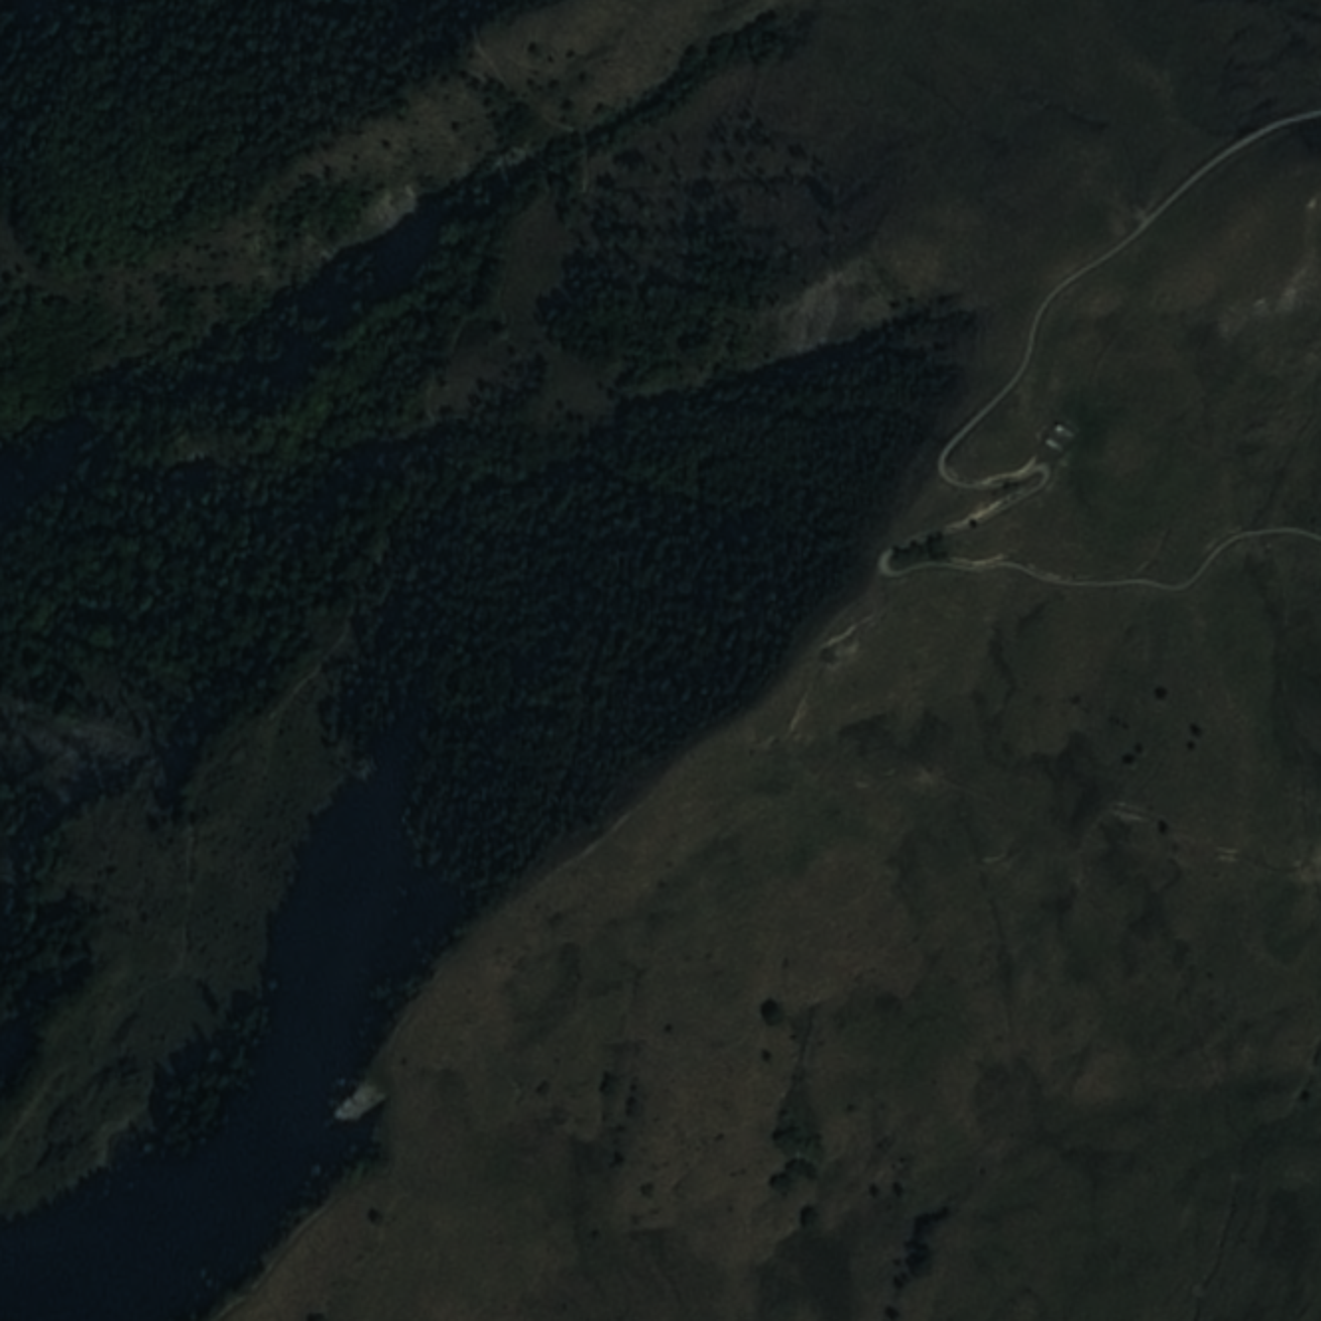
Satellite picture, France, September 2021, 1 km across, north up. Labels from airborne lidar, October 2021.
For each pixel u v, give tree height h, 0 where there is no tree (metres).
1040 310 0
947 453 0
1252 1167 0
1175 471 0
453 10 10
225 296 10
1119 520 0
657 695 7
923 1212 0
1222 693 0
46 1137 0
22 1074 19
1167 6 0
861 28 0
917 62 0
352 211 11
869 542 0
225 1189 7
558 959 0
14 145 17
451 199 15
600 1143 0
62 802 0
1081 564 0
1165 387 0
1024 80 0
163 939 0
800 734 0
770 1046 0
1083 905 0
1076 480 0
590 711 8
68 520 20
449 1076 0
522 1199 0
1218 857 0
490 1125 0
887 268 0
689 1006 0
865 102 0
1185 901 0
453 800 10
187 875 0
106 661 15
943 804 0
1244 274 0
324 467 14
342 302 11
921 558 8
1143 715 0
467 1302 0
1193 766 0
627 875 0
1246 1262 0
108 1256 11
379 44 8
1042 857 0
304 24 10
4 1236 0
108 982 0
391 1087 0
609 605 9
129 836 0
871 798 0
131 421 20
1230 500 0
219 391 14
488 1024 0
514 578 8
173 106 17
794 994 0
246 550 9
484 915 6
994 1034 0
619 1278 0
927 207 0
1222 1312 0
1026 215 0
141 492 15
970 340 0
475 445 8
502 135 19
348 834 6
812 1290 0
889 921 0
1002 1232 0
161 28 10
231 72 13
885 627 0
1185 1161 0
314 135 11
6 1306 16
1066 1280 0
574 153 14
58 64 11
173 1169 16
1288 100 0
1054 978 0
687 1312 0
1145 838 0
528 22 0
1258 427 0
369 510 17
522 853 7
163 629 17
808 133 0
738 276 9
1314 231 0
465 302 9
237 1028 7
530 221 0
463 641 12
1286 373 0
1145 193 0
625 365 9
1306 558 0
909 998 0
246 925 0
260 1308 0
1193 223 0
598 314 19
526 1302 0
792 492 8
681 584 13
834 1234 0
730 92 0
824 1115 0
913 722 0
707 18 0
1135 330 0
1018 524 0
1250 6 0
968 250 0
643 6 0
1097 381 0
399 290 17
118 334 9
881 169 0
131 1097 0
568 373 0
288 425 16
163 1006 0
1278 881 0
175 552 12
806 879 0
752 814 0
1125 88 0
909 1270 7
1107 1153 0
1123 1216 0
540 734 11
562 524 9
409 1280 0
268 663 13
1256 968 0
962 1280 0
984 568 0
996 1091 0
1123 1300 0
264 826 0
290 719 0
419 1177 0
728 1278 0
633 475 12
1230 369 0
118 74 12
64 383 13
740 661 8
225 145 14
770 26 9
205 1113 17
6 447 10
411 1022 0
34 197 17
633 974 0
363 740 12
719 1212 0
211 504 13
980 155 0
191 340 7
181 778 6
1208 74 0
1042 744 0
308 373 14
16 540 20
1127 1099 0
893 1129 0
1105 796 0
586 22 0
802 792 0
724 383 12
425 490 11
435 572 13
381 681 9
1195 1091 0
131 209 17
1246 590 0
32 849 8
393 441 6
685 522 7
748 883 0
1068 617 0
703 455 10
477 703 11
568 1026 0
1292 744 0
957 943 0
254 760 0
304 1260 0
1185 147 0
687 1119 0
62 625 10
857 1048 0
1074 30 0
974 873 0
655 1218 0
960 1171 0
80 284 8
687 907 0
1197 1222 0
